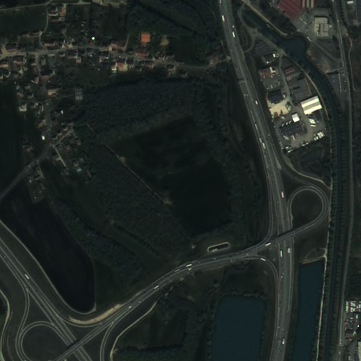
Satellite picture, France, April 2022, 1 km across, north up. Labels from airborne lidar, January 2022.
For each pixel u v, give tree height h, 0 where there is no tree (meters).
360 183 0
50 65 0
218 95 19
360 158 8
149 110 21
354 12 0
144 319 0
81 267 0
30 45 6
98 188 11
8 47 0
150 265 0
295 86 0
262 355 0
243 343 0
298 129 0
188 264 0
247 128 0
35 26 0
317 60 0
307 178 0
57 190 0
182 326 0
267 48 0
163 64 0
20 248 0
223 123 14
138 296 0
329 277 12
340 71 0
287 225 0
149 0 0
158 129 0
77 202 0
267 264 0
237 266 12
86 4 0
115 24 0
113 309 0
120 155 0
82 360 0
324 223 0
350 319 0
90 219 0
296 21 0
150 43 8
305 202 0
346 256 0
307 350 0
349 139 0
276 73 0
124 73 0
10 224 0
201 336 0
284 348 0
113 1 0
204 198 0
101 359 0
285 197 0
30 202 0
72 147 8
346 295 8
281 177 0
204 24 14
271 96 0
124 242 0
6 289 0
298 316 0
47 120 0
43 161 0
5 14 0
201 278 0
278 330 0
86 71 0
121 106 20
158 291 0
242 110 0
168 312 16
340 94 0
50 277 0
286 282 0
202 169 0
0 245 0
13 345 0
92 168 14
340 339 0
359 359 0
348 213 0
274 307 0
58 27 0
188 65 0
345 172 13
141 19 22
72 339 0
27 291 0
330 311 0
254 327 0
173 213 8
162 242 14
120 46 0
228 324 0
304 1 0
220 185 0
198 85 16
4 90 0
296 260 0
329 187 0
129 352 17
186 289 0
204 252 0
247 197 0
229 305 0
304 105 0
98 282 0
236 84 0
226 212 0
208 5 21
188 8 24
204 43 18
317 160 0
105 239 18
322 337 14
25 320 0
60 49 0
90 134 16
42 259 0
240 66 0
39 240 0
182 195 0
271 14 0
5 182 0
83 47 0
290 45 0
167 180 0
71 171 0
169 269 0
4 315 0
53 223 0
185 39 0
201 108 27
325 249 0
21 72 0
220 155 24
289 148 0
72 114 11
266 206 0
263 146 0
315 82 16
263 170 0
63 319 0
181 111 28
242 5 0
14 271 0
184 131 0
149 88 21
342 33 0
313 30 0
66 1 0
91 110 17
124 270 19
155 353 20
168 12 0
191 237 11
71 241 0
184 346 13
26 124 0
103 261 10
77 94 0
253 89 0
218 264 0
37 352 0
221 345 0
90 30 6
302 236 0
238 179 16
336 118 0
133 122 24
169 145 0
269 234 0
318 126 0
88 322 0
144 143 0
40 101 0
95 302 0
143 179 0
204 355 0
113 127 27
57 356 0
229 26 0
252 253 0
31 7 0
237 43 0
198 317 13
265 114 0
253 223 0
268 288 0
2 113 0
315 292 0
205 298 11
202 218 0
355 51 0
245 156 6
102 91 20
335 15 0
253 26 0
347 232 0
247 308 0
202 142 0
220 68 15
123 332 0
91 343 0
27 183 0
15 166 0
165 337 0
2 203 0
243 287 0
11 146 0
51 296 0
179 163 0
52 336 0
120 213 17
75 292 0
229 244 0
